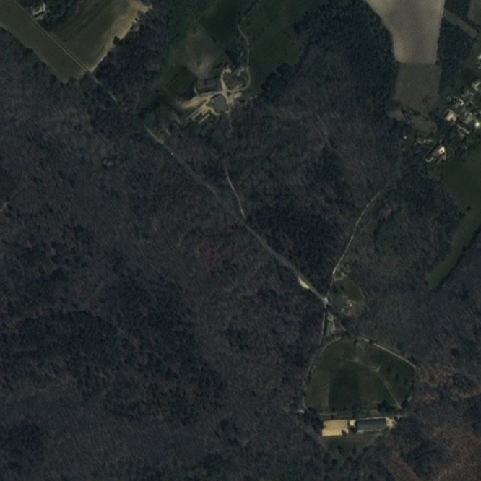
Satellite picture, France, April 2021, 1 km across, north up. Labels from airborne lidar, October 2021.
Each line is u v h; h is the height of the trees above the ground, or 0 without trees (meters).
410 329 18
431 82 0
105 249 12
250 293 13
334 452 0
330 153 15
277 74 0
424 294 19
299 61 0
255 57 0
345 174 19
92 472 9
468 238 0
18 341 26
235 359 13
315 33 19
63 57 0
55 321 25
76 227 9
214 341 9
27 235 16
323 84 15
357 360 0
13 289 18
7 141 16
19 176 9
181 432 15
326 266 11
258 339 11
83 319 25
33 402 15
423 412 15
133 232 17
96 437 19
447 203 22
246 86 0
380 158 27
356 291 0
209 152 12
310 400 0
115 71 26
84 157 23
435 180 11
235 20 0
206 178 15
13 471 24
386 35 10
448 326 15
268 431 14
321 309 9
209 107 0
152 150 12
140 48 25
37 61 19
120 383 12
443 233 17
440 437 10
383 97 24
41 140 21
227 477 16
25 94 19
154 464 18
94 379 11
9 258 20
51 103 16
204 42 0
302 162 16
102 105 25
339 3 16
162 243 16
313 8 0
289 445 13
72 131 11
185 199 11
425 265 16
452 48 6
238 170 15
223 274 12
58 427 13
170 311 19
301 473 21
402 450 13
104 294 12
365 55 21
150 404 19
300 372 10
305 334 14
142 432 17
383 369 0
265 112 18
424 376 15
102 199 11
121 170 13
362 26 18
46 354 27
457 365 15
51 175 9
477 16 0
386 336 17
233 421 10
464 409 12
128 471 11
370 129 21
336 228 11
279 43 0
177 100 0
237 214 18
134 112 14
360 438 0
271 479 18
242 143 24
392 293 19
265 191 17
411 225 17
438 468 12
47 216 6
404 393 0
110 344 23
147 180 16
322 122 22
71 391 13
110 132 14
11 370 23
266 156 10
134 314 17
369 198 16
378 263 14
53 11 7
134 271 12
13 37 9
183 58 0
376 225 0
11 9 0
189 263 16
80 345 25
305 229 17
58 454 13
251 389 6
